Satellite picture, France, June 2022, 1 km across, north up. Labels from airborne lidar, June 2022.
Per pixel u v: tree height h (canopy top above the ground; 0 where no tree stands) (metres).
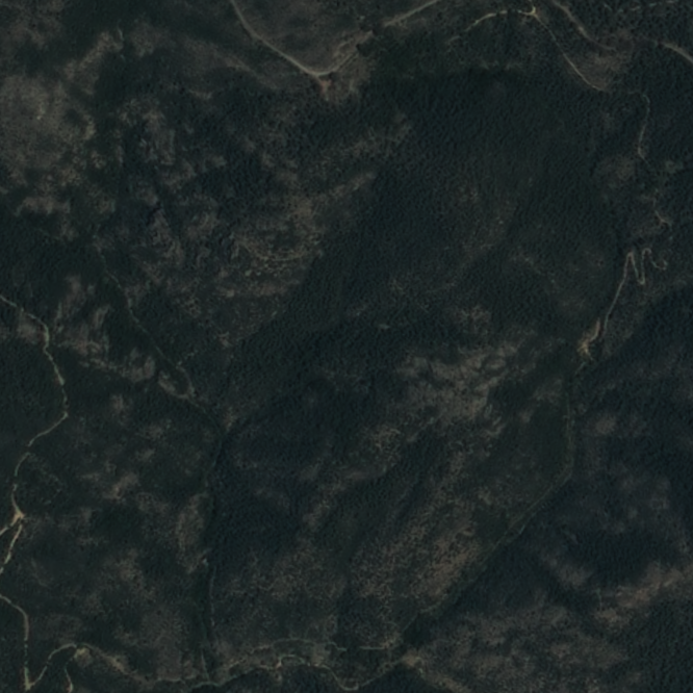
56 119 0
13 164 0
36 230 8
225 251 6
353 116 13
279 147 9
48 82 0
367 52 8
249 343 11
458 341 12
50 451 6
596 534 8
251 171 8
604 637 11
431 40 7
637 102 11
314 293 15
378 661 8
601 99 10
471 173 12
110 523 8
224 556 12
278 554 11
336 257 9
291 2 0
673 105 10
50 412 9
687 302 13
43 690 7
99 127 6
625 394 7
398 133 8
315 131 13
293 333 9
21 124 0
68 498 7
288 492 10
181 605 8
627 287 8
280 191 8
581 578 0
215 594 8
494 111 8
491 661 0
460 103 15
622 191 9
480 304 9
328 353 13
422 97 15
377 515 6
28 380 9
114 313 7
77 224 6
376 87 13
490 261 12
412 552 6
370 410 13
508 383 6
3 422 7
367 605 8
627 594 0
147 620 0
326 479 7
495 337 10
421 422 6
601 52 14
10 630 6
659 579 0
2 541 11
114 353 9
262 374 13
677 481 13
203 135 10
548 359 8
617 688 9
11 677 7
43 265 11
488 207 8
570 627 9
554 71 11
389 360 11
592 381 8
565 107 7
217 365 6
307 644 0
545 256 11
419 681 9
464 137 14
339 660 7
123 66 6
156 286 8
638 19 8
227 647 0
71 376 6
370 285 9
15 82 0
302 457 14
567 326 7
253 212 8
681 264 8
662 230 6
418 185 9
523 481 9
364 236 13
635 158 8
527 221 11
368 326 10
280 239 6
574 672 8
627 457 9
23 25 0
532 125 10
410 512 9
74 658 6
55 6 0
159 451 7
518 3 8
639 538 10
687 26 12
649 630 9
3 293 12
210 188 11
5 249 12
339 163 7
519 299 9
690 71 7
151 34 0
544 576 7
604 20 9
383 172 7
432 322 11
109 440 7
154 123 0
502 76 14
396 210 12
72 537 6
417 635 13
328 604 7
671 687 11
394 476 14
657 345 10
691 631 12
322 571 7
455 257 8
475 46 10
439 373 0
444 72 7
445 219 11
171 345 6
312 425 6
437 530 8
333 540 12
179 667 0
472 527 8
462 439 7
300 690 8
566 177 12
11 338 6
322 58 0
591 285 7
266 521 12
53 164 0
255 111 8
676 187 10
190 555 10
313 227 0
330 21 0
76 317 6
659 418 7
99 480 0
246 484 7
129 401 7
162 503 10
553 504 11
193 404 8
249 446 8
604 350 9
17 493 6
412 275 6
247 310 6
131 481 0
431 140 11
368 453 6
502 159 7
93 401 8
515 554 10
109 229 6
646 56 9
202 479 11
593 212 14
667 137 14
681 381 12
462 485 9
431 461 9
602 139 12
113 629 7
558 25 6
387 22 0
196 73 0
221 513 10
